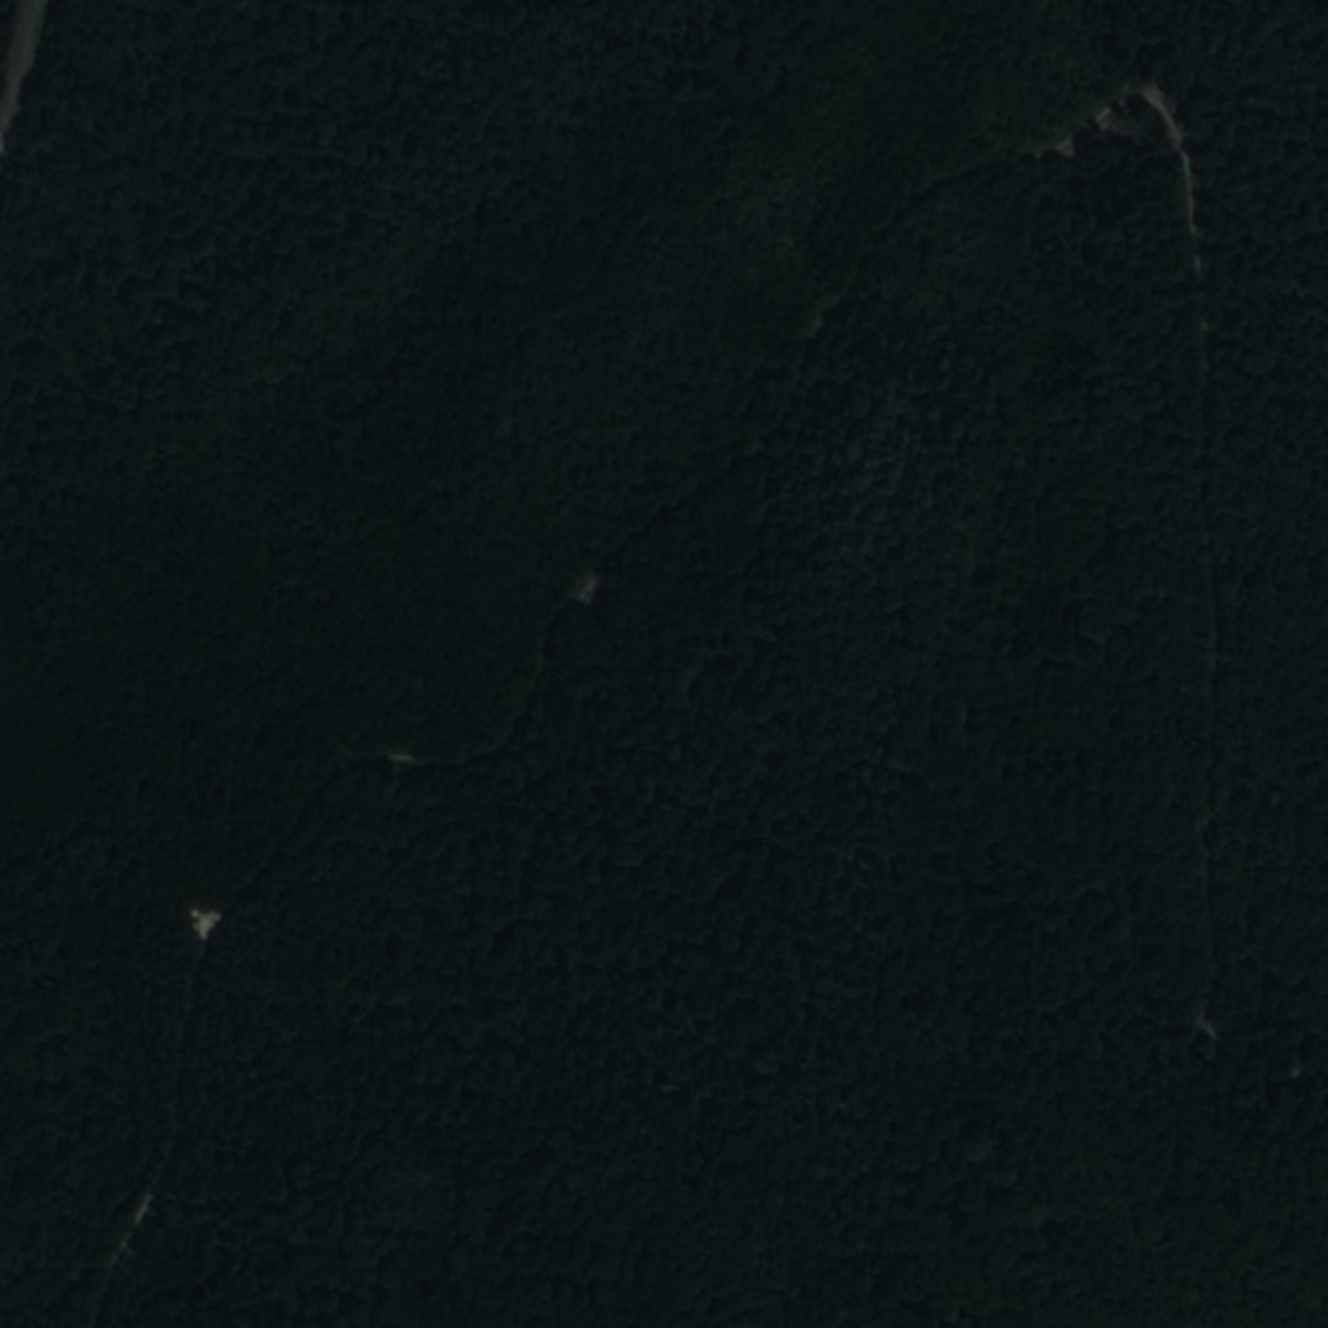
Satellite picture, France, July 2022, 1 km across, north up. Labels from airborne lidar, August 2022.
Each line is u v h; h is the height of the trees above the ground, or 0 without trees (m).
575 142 25
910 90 19
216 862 20
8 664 13
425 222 20
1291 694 19
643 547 28
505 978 26
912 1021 24
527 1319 25
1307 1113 24
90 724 19
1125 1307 16
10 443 28
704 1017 23
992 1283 28
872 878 21
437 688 17
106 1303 24
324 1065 22
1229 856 19
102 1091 20
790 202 14
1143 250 16
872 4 18
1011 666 24
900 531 15
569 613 26
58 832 16
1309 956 18
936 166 15
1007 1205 20
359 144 24
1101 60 19
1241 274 21
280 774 27
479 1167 36
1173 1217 21
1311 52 22
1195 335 16
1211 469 19
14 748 11
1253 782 19
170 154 18
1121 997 19
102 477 24
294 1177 23
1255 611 18
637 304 15
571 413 13
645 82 24
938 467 7
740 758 30
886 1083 24
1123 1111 23
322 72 29
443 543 14
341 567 24
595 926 23
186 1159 20
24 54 0
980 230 18
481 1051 20
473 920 25
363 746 22
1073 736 17
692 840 25
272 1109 20
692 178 14
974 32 19
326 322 10
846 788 19
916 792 22
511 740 22
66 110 19
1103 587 21
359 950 23
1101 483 20
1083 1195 17
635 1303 22
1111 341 20
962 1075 16
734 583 27
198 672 22
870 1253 14
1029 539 23
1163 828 20
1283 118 18
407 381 20
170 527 17
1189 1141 21
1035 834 23
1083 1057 22
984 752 23
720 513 30
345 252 19
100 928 27
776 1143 19
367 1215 20
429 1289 28
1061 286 28
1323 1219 20
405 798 24
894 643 22
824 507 10
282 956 21
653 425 20
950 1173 27
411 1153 22
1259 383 23
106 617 23
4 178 10
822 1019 19
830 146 12
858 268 16
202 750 21
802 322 24
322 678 20
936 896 26
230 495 16
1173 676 22
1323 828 18
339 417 20
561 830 33
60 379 30
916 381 10
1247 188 15
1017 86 13
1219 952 14
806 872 20
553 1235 28
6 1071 25
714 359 22
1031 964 25
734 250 14
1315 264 19
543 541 13
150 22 25
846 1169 23
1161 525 21
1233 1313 16
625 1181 26
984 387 21
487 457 21
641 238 11
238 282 30
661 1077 19
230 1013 25
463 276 24
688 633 27
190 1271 8
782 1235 20
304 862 19
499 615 16
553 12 21
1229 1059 23
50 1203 31
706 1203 21
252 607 28
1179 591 19
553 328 18
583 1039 23
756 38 27
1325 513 22
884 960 25
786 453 18
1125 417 18
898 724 22
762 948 29
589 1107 19
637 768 29
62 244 15
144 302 26
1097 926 22
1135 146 22
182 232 12
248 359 17
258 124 25
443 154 19
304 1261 24
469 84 24
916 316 12
